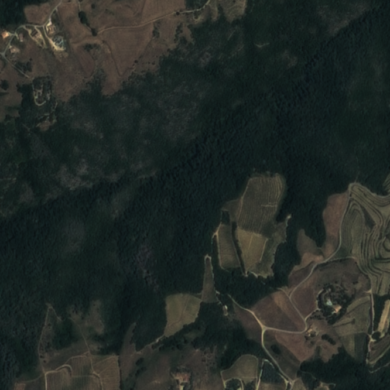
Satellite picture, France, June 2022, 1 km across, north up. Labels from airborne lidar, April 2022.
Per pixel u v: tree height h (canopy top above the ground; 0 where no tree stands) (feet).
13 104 0
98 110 19
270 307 0
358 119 32
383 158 39
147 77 22
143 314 27
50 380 0
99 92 29
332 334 0
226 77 20
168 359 0
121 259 21
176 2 0
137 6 0
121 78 0
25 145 22
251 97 36
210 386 0
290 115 50
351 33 36
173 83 18
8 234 48
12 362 38
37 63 0
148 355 0
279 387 0
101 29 0
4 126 29
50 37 0
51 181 22
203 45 19
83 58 0
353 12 21
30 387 0
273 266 28
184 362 0
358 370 43
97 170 19
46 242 37
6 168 18
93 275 29
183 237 42
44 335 0
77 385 0
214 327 23
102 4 0
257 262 0
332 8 23
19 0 56
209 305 30
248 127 20
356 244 0
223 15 19
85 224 24
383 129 23
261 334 0
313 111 44
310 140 24
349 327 0
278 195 0
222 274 38
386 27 39
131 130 24
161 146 29
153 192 39
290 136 30
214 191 31
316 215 38
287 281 0
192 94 24
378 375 21
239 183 43
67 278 23
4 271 25
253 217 0
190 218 45
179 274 31
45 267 33
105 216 26
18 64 0
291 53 23
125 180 41
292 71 39
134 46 0
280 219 39
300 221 28
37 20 0
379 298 18
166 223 37
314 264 0
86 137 23
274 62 28
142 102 23
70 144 19
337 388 25
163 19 0
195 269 34
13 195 21
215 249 27
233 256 0
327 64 43
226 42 19
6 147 36
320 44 34
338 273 0
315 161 50
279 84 41
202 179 36
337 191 33
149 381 0
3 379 34
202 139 79
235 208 0
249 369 0
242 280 26
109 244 20
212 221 27
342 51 33
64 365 0
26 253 35
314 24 28
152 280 39
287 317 0
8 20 22
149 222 35
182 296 0
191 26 26
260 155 37
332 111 31
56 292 23
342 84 24
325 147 26
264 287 25
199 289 21
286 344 0
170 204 18
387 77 21
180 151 40
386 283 0
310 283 0
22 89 24
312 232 31
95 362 0
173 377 0
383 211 0
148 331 21
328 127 24
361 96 29
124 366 0
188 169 55
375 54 21
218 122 44
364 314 0
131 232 39
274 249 0
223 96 31
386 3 60
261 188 0
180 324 0
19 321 20
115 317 30
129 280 33
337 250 0
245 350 24
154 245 27
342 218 0
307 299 0
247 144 35
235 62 24
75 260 30
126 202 23
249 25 27
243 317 0
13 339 26
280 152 32
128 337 0
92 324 0
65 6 0
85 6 0
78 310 43
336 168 27
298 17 29
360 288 0
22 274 18
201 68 29
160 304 24
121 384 20
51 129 31
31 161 34
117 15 0
